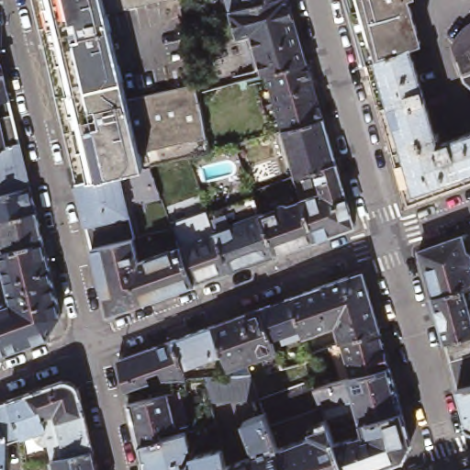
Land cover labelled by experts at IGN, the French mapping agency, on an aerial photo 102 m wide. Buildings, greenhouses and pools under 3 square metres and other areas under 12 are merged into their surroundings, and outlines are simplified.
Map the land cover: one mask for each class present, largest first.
<instances>
[{"label":"building","instance_id":"1","mask_svg":"<svg viewBox=\"0 0 470 470\"><path fill-rule=\"evenodd\" d=\"M42 22L50 29L48 40L53 51V59L57 62V77L64 94V119L75 132L79 149L77 173L83 174V182L73 185V198L79 204L75 222L92 231V246L95 253L90 257V263L95 279V292L99 299L97 307L103 308L105 316H112L116 321H125L129 316L136 318V310L151 307L152 303L185 292V283L195 286V279H209L217 272L229 275L233 279L235 272L244 270L248 264L272 263L275 259V250L286 255L303 250L305 242L316 241L321 244L325 242V237H347L351 231L349 228L358 220V211L349 215L347 204H343L345 189L341 184L340 169L330 145L327 125L321 114L310 110V106L318 103V95L314 90V81L310 73L318 68L319 61L316 57L307 64L296 22L290 17L292 6L288 4V0H231V4L224 7L228 40L242 37L250 40L253 57L259 68L257 75L261 77V81L266 86L264 99L268 101V114L274 119L275 130L281 129V134L290 165L286 173L279 174L263 182L257 180L250 193H239L224 195L215 196L211 202L202 206L198 196L169 204L167 198H160L158 195L151 174L154 162L187 154L195 149L202 152H206L207 149L204 121L196 92L193 88H184L182 79L178 77V70L182 64L178 55V39L182 37V29L178 28L182 15L180 0H39ZM413 0H358L362 24L376 22V28L371 29V35L375 39L378 59L382 62L373 64V70L384 103L382 112L389 130V140L398 152V169L404 173L402 185L406 187L411 198H417L470 178V138L453 141L441 151L435 149L428 114L419 97L422 92L417 86L413 62L409 59L411 53L420 50L419 35L411 15ZM437 44L446 75L450 79H459L463 88L470 90V24L463 29H457V26L452 24L448 31L441 29L437 33ZM7 174H13L20 182H28V173L22 160L17 123L9 103L4 68L0 62V182L6 180ZM33 200L28 195H20L18 191L0 196V364L7 362V356L13 354V351L22 354L26 351L33 336L48 340L51 329L61 316L64 301L55 297L50 263L44 255V239L37 218L39 209L31 204ZM420 255L426 259L424 270L428 272L426 283L433 294L431 305L435 312V327L439 332L446 330L448 347L459 341L470 340V253L466 252L463 235L431 244L426 248H420L417 244ZM297 351L308 352L323 364V371L314 380V393L305 389V384H292V380L286 375L288 367L296 364L294 358ZM387 354L375 307L365 283V275L352 274L310 288L296 296L286 297L277 305H264L257 310H246V314L213 323L206 330L185 336L182 340L167 341L162 347H149L127 356L119 352V362L116 367H110L106 371V376L108 382L116 387L119 395L129 398L130 417L141 446L140 452L136 453L138 470H397L406 464L411 455H417L413 448V430H406L404 415L408 413L400 406L397 386L391 378V369L384 371ZM15 442L26 444L29 453H48V470H95L92 457L94 448L90 446L88 431L84 424L83 404L75 387L64 382L51 384L31 391L28 395H22L18 400L0 404V470H4L6 446H11ZM457 402L461 424L466 430H470V387H466L463 393L453 397Z\"/></svg>","mask_w":470,"mask_h":470},{"label":"impervious surface","instance_id":"2","mask_svg":"<svg viewBox=\"0 0 470 470\"><path fill-rule=\"evenodd\" d=\"M288 4L292 6L290 17L296 22L307 64L316 57L319 61L318 68L310 73L314 81V90L318 95V103L310 106V110L321 114L327 125L330 145L340 169L341 184L345 189L343 204H347L349 215L358 211V220L349 228L351 231L347 237H325V242L321 244L316 241L305 242L303 250L286 255L275 250V259L272 263L248 264L244 270L235 272L233 279L229 275L217 272L209 279H195V286L185 283V292L152 303L151 307L136 310V318L129 316L125 321H116L112 316H105L103 308L97 307L99 299L95 292V279L90 263V257L95 253L92 246V231L75 222L79 204L73 198V185L83 182V174L77 173L79 149L75 132L64 119V94L57 77V62L53 59V51L48 40L50 29L42 22L39 0H0V62L4 68L9 103L17 123L22 160L28 173V182H20L13 174H7L6 180L0 182V196L18 191L20 195H28L33 200L31 204L39 209L37 218L44 239V255L50 263L55 297L64 301L61 316L51 329L48 340L33 336L26 351L22 354L13 351V354L7 356V362L0 364V404L18 400L22 395H28L31 391L51 384L64 382L75 387L83 404L84 424L88 431L90 446L94 448L92 457L95 470H138L136 453L140 452L141 446L130 417L129 398L119 395L116 387L108 382L106 376V371L110 367H116L119 362V352L127 356L149 347H162L167 341L182 340L185 336L206 330L213 323L246 314V310H257L264 305H277L286 297L296 296L310 288L352 274L365 275V283L375 307L387 354L384 371L391 369V378L397 386L400 406L408 413L404 415L406 430H413V448L417 455H411L406 464L397 470H470V430H466L461 424L457 402L453 397L463 393L466 387H470V340L459 341L448 347L446 330L439 332L435 327V312L431 305L433 294L426 283L428 272L424 270L426 259L420 255L417 244L420 248H426L431 244L463 235L466 252L470 253V178L417 198H411L406 187L402 185L404 173L398 169V152L389 140V130L382 112L384 103L373 70V64L382 62L378 59L375 39L371 35V29L376 28V22L362 24L358 0H288ZM411 15L419 35L420 50L411 53L409 59L413 62L417 86L422 92L419 97L428 114L435 149L441 151L453 141L470 138V90L463 88L459 79H450L446 75L437 44V33L441 29L448 31L452 24L457 26V29H463L470 24V0H413ZM217 70L222 77L229 75L237 83L241 90H246L248 84L257 86L261 81V77L257 75L259 68L253 57L250 40L242 37L228 40L226 55L218 59ZM257 180L263 182L279 174L277 163L272 160L257 163L253 169ZM4 470H48V453H29L26 444L15 442L11 446H6Z\"/></svg>","mask_w":470,"mask_h":470},{"label":"herbaceous vegetation","instance_id":"3","mask_svg":"<svg viewBox=\"0 0 470 470\"><path fill-rule=\"evenodd\" d=\"M266 86L261 81L257 86L248 84L246 90H241L237 83L218 88H204L196 92L204 121L207 149H217L224 145L237 147L244 140H253L261 136L257 129L263 125L264 119H274L268 114V101L264 99ZM202 152L195 149L187 154L154 162L151 174L158 195L160 198H167L169 204L198 196L202 206L211 202L215 196L224 195L217 182L206 184L200 180L198 167L191 162L189 156Z\"/></svg>","mask_w":470,"mask_h":470},{"label":"deciduous trees","instance_id":"4","mask_svg":"<svg viewBox=\"0 0 470 470\"><path fill-rule=\"evenodd\" d=\"M231 4V0H180L182 15L178 28L182 29V37L178 39V55L182 64L178 70V77L182 79L184 88H193L196 92L204 88H218L237 83L229 75L222 77L217 70L218 59L226 55L228 40L224 7ZM296 364L288 367L286 375L292 380V384H305V389L314 393V380L323 371V364L308 352L297 351L294 358Z\"/></svg>","mask_w":470,"mask_h":470},{"label":"pervious surface","instance_id":"5","mask_svg":"<svg viewBox=\"0 0 470 470\"><path fill-rule=\"evenodd\" d=\"M231 160L239 163V167L244 173H250L253 169L257 163L272 160L277 163L279 174L286 173L290 165L281 134H274L268 140L261 136L253 140H244L237 147V154Z\"/></svg>","mask_w":470,"mask_h":470},{"label":"brushwood","instance_id":"6","mask_svg":"<svg viewBox=\"0 0 470 470\"><path fill-rule=\"evenodd\" d=\"M261 136L268 140L274 134H281V129L275 130L274 119H264L263 125L257 129ZM237 154V147L224 145L217 149H207L206 152H202L189 156L191 162L198 167L218 160H231ZM239 193H250L257 180L253 169L250 173H244L239 167Z\"/></svg>","mask_w":470,"mask_h":470},{"label":"swimming pool","instance_id":"7","mask_svg":"<svg viewBox=\"0 0 470 470\"><path fill-rule=\"evenodd\" d=\"M239 163L231 160H218L198 167L200 180L206 184L217 182L224 195L239 193Z\"/></svg>","mask_w":470,"mask_h":470}]
</instances>
